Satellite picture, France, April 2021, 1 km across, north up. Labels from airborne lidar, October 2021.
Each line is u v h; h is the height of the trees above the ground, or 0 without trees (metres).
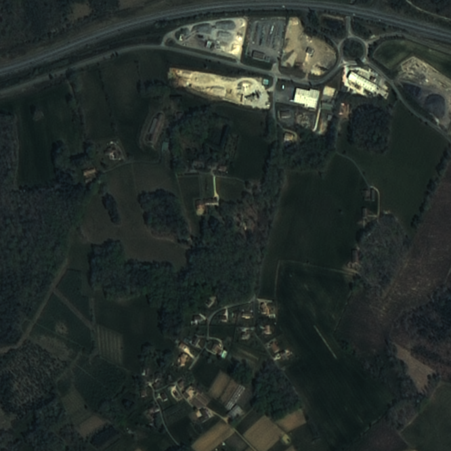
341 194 0
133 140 0
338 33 6
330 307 0
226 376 0
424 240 0
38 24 22
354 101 18
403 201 0
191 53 0
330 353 0
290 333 0
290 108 0
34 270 22
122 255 23
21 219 14
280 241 0
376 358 8
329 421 0
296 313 0
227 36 0
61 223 22
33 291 18
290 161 27
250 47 0
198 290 20
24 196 23
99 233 0
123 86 0
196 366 0
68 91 0
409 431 0
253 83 0
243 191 0
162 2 0
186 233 22
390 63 0
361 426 0
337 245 0
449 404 0
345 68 0
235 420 18
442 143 0
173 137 23
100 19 6
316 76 0
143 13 0
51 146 0
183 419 0
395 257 23
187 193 0
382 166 0
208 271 25
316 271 0
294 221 0
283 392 14
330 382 0
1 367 11
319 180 0
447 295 14
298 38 0
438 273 0
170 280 20
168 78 0
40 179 0
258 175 0
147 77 0
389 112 19
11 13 26
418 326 14
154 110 0
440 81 0
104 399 7
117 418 23
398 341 0
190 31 0
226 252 28
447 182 0
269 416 15
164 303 18
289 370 0
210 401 0
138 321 0
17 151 16
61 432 8
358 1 16
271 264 0
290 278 0
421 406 21
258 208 23
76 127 0
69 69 0
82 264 0
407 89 0
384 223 21
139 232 0
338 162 0
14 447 17
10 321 19
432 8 13
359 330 0
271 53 0
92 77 0
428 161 0
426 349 7
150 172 0
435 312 15
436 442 0
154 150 0
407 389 13
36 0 21
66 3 15
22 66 0
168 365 11
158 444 0
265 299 0
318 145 20
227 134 14
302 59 0
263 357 0
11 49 7
